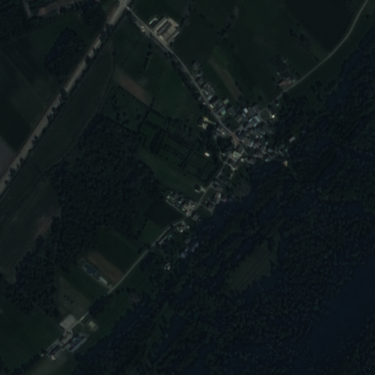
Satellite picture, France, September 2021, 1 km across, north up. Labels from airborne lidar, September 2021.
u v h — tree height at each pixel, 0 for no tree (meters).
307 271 32
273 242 0
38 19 13
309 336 26
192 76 0
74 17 0
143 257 0
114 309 0
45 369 0
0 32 27
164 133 15
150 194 23
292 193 10
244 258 16
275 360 30
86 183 24
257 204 23
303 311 23
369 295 29
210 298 22
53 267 16
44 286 28
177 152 5
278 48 0
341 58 0
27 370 16
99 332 0
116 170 17
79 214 26
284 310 21
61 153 19
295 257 30
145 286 0
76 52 18
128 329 28
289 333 27
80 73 0
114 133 20
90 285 0
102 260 0
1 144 0
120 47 0
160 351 0
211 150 19
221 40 0
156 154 19
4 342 0
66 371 0
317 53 0
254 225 30
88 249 21
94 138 22
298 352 27
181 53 0
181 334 27
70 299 8
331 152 22
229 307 27
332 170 14
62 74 23
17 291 21
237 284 0
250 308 29
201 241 21
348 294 31
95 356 13
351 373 27
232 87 0
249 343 9
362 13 0
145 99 0
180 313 28
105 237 0
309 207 30
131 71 0
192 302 23
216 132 0
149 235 0
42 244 23
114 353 19
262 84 0
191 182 0
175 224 0
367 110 27
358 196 21
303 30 0
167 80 0
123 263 0
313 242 25
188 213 0
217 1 0
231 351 7
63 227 15
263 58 0
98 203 26
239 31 0
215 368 32
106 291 0
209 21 0
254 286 0
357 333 26
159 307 8
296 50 0
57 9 0
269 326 23
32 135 0
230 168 6
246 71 0
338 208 25
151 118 0
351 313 24
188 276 17
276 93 0
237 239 15
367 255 29
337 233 32
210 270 21
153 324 21
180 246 6
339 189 17
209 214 0
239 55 0
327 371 24
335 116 25
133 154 26
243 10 0
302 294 30
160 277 21
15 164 0
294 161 23
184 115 0
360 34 0
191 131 11
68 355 0
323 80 0
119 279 0
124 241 0
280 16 0
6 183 8
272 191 21
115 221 25
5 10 8
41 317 0
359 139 20
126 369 20
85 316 0
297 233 30
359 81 28
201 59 0
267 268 0
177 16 0
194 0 8
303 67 0
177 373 9
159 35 0
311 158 14
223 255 19
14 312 0
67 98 15
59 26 0
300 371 32
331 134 18
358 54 0
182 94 0
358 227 24
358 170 22
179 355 10
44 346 0
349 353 31
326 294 29
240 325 23
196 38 0
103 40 15
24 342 0
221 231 25
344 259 13
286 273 23
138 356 23
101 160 17
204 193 0
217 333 21
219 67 0
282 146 0
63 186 23
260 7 0
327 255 28
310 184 9
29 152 8
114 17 0
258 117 0
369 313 22
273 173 23
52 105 0
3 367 34
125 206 27
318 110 0
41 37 0
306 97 0
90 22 27
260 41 0
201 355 0
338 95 0
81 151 19
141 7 0
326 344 28
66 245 19
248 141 0
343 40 0
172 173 0
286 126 12
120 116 10
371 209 18
